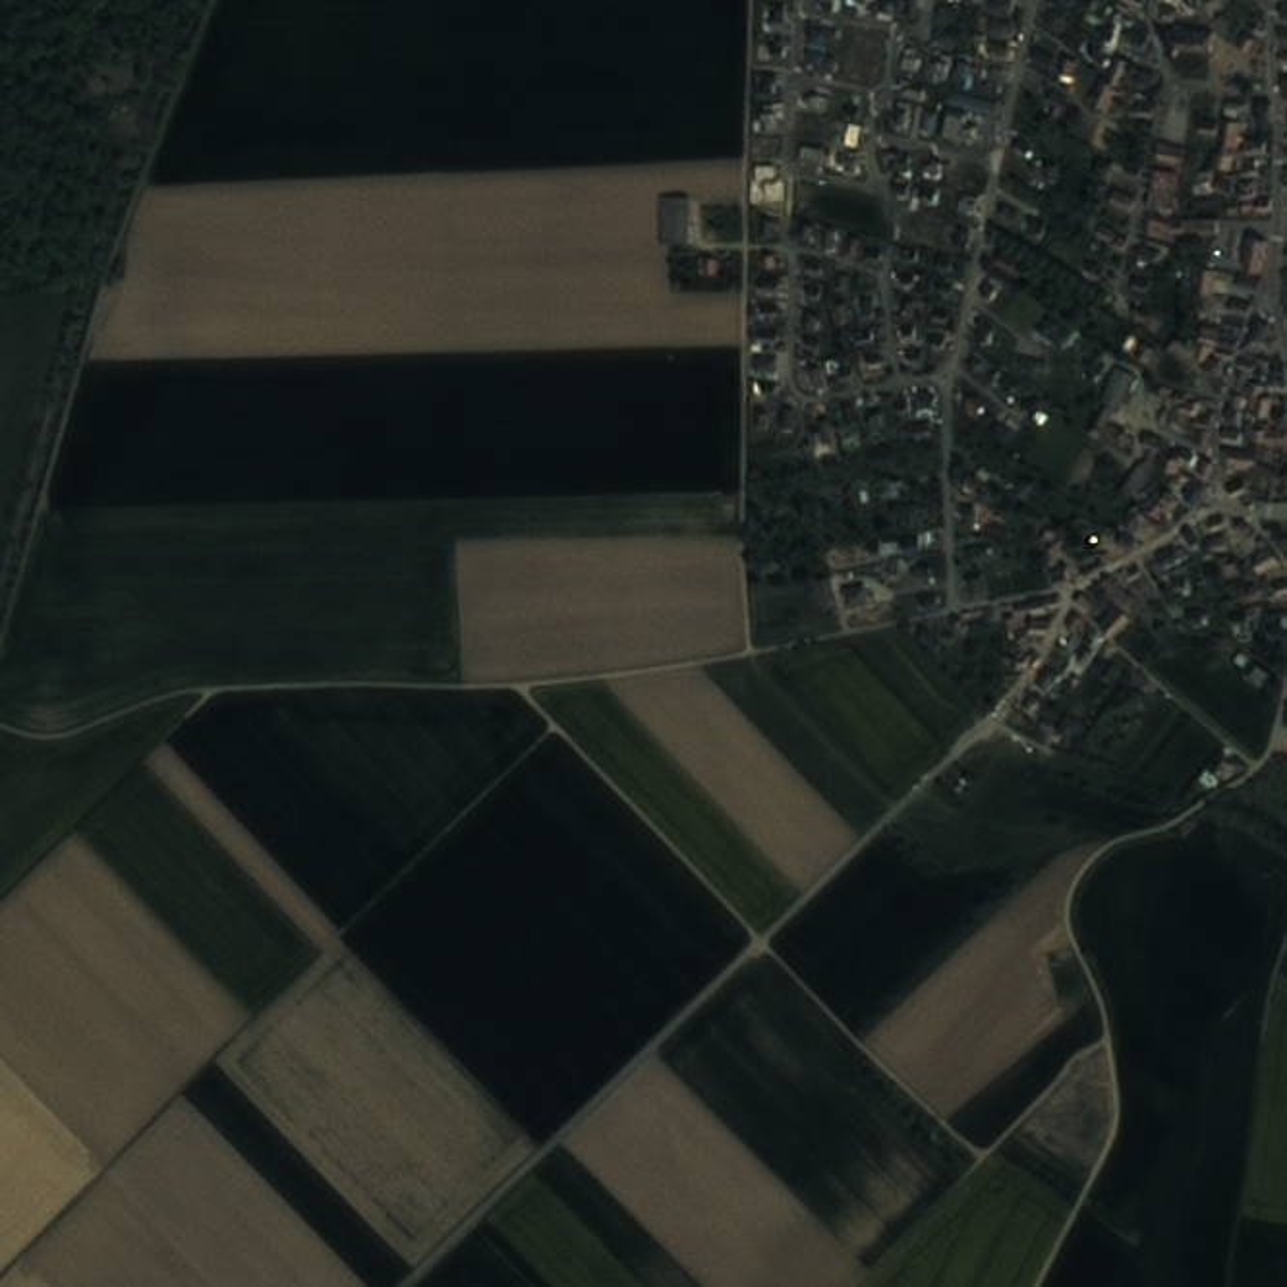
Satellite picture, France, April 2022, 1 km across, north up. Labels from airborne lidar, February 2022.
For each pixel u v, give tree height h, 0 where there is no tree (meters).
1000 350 0
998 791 0
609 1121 0
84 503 0
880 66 0
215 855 0
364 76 0
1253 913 0
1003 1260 0
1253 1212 0
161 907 0
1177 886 0
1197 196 0
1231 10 0
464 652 0
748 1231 0
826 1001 0
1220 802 14
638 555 0
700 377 0
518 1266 0
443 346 0
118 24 15
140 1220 0
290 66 0
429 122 0
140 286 0
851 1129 0
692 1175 0
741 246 0
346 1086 0
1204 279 0
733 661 0
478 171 0
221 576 0
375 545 0
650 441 0
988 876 0
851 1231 0
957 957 0
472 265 0
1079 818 0
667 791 0
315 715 0
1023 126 0
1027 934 0
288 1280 0
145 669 0
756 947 0
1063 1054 0
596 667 0
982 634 0
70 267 13
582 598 0
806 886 0
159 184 0
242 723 0
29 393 0
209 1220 0
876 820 0
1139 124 9
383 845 0
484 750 0
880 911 0
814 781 0
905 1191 0
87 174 19
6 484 0
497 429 0
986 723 0
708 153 0
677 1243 0
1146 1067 0
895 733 0
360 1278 0
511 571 0
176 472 0
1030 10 0
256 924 0
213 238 0
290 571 0
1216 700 0
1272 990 0
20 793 0
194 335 0
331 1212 0
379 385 0
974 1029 0
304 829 0
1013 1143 0
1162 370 0
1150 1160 0
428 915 0
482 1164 0
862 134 0
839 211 0
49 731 0
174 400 0
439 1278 0
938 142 0
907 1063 0
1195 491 0
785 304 0
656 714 0
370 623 0
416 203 0
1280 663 8
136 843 0
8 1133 0
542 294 0
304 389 0
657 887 0
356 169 0
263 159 0
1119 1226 0
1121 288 0
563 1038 0
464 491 0
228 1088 0
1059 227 6
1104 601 9
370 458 0
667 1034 0
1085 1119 0
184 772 0
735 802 0
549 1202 0
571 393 0
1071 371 11
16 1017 0
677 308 0
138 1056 0
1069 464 0
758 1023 0
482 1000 0
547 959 0
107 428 0
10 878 0
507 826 0
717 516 0
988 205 0
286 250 0
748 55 0
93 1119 0
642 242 0
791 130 0
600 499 0
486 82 0
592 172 0
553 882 0
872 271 0
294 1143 0
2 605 9
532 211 0
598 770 0
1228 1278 0
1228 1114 0
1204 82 0
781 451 0
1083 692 0
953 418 0
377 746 0
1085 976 0
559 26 0
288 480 0
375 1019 0
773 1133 0
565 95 0
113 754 0
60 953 0
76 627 0
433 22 0
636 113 0
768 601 0
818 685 0
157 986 0
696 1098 0
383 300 0
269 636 0
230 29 0
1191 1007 0
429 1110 0
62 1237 0
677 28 0
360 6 0
